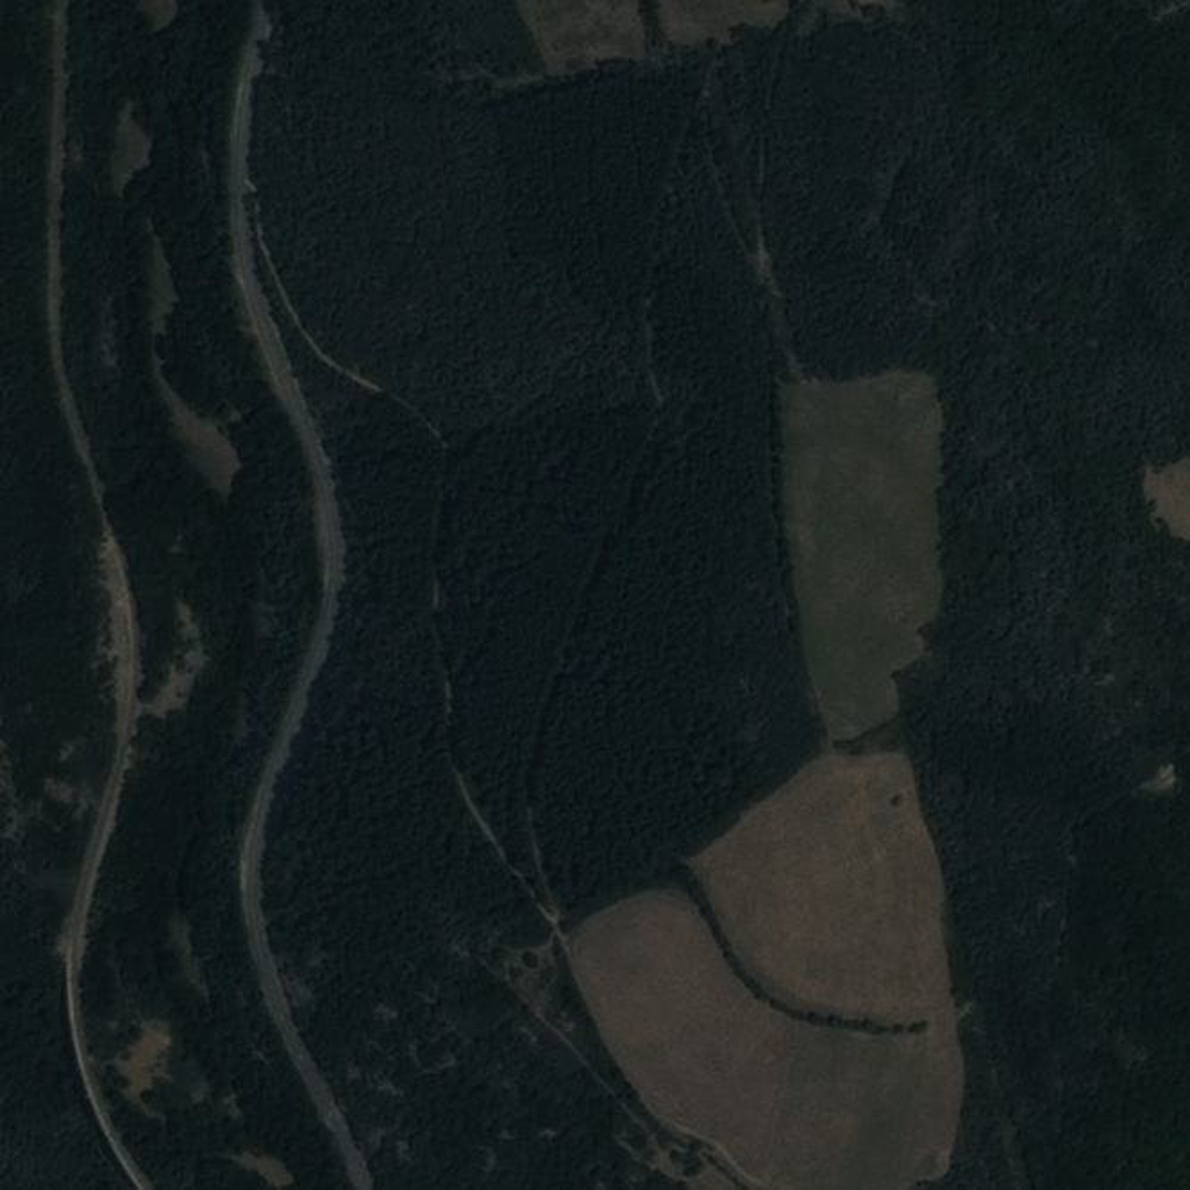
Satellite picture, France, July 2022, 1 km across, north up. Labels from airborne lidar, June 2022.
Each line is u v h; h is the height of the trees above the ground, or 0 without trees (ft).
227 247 34
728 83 27
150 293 49
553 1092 25
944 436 28
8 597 26
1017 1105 31
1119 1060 31
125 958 42
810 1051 0
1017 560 51
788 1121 0
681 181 36
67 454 38
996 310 45
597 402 36
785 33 25
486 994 31
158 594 35
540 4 0
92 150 54
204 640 33
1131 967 43
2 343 31
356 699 35
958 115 26
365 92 38
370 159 40
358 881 67
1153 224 59
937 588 0
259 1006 35
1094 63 34
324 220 36
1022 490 47
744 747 31
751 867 0
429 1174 26
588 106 75
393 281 41
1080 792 82
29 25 37
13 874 20
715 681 40
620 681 54
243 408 64
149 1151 55
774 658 32
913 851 0
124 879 31
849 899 0
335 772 78
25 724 28
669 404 25
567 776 81
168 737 42
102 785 29
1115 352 46
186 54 68
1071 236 56
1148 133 25
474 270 44
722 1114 0
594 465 71
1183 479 0
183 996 43
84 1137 40
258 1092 45
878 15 39
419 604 53
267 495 51
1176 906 52
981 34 58
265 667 40
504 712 96
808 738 33
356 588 28
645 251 83
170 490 38
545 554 81
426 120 47
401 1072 30
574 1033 0
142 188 85
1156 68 59
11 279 39
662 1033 0
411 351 47
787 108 32
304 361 28
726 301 32
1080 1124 40
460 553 69
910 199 52
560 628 88
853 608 0
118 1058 0
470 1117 44
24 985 30
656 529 83
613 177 84
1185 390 30
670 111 83
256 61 0
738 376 39
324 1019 47
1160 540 27
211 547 37
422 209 47
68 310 27
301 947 43
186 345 63
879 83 33
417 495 90
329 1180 56
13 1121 36
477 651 60
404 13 32
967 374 42
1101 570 37
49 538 40
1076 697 34
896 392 0
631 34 0
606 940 0
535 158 88
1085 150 63
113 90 71
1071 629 36
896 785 0
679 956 0
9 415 51
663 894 0
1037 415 34
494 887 80
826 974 0
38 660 60
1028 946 28
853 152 32
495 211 44
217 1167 59
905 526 0
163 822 47
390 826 60
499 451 85
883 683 0
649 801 83
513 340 44
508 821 62
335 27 64
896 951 0
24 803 25
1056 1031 50
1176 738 31
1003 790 72
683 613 78
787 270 31
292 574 42
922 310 27
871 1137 0
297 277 29
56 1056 39
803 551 0
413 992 27
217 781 70
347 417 44
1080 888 41
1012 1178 36
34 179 40
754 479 40
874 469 0
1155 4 49
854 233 23
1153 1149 51
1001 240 45
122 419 56
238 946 37
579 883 82
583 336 32
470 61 37
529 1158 30
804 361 28
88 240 48
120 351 48
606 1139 31
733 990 0
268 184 35
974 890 34
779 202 44
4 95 41
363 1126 20
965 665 31
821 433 0
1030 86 38
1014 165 58
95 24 62
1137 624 28
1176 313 45
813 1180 0
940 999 0
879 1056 0
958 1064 0
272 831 35
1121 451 33
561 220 76
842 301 35
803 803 0
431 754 79
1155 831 52
